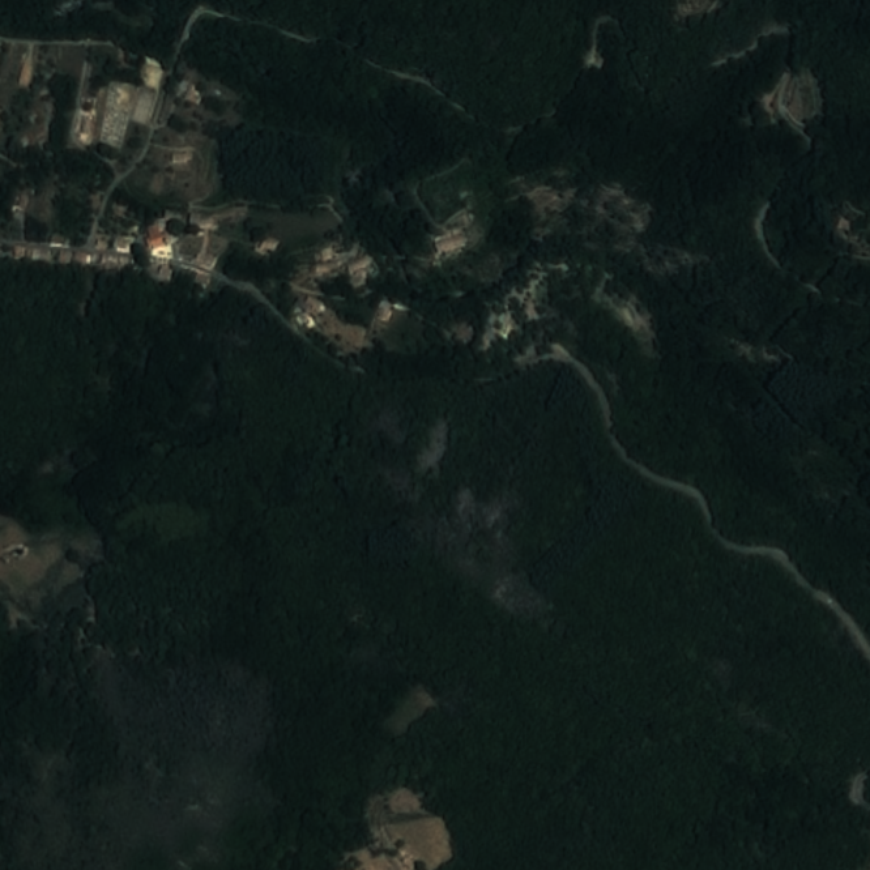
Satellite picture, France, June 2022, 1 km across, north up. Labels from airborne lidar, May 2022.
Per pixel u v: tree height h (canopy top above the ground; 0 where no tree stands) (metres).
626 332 16
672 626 14
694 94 23
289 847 9
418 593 12
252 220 10
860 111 21
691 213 22
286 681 8
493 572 0
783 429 27
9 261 14
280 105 23
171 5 20
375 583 20
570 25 21
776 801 7
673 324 13
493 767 23
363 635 9
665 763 12
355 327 14
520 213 14
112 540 20
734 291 13
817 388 26
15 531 0
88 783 7
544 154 18
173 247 0
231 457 13
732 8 20
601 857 11
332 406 15
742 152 23
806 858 12
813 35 16
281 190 20
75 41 12
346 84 21
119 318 16
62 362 15
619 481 30
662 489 13
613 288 19
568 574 26
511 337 14
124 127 0
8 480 18
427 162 17
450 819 14
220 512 17
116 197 9
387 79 19
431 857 0
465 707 7
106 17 18
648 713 22
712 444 24
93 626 12
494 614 13
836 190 12
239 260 18
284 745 9
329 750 15
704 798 18
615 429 19
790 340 19
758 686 9
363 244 16
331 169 8
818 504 16
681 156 17
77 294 16
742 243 16
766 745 15
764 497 22
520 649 18
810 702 10
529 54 20
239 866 8
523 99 19
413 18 19
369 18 23
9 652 16
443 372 19
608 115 24
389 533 23
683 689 14
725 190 20
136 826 0
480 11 10
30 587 0
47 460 10
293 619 15
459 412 11
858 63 19
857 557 12
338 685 11
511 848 17
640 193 7
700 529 21
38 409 18
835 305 17
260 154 26
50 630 10
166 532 17
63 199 11
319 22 15
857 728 9
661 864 21
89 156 12
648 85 13
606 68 22
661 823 17
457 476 14
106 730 13
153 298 17
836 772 8
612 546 20
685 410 24
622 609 18
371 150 18
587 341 12
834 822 15
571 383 26
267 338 20
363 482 14
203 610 12
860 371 15
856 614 16
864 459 6
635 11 15
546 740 21
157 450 20
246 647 14
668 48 15
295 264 7
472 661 15
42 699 14
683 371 20
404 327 0
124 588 13
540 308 13
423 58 16
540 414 14
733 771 19
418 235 10
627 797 11
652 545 16
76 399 16
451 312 12
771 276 16
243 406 11
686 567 25
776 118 0
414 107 21
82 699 14
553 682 19
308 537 15
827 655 14
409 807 0
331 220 0
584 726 20
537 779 23
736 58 11
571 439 22
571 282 13
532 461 8
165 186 0
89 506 23
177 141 0
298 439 20
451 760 20
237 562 14
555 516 19
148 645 11
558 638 12
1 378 14
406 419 8
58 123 12
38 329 15
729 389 13
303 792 19
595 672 22
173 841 0
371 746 13
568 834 13
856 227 10
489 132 19
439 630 13
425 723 14
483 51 11
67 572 0
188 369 24
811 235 15
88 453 15
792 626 12
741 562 11
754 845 9
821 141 20
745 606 13
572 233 15
